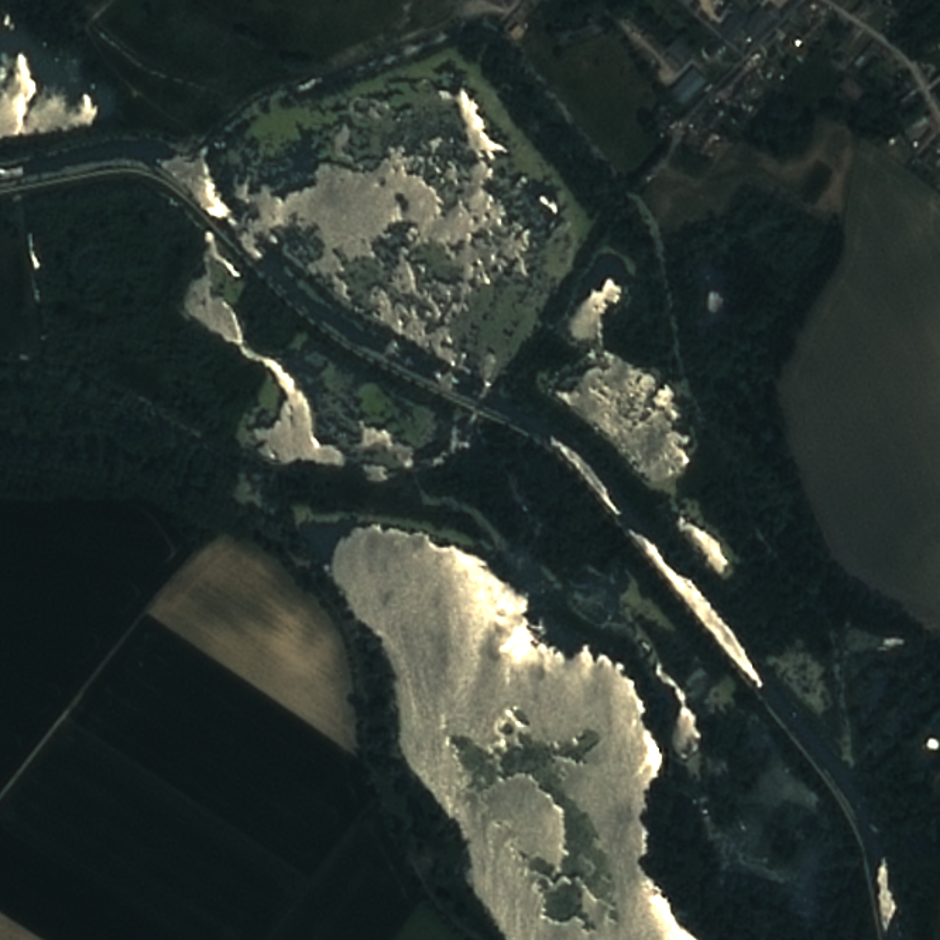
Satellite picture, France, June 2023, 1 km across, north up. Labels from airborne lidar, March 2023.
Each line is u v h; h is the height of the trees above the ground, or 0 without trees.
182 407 12
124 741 0
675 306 9
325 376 0
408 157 0
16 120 0
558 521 20
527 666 0
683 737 0
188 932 0
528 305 0
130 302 13
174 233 10
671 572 0
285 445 0
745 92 0
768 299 17
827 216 0
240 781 0
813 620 25
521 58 13
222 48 0
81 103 0
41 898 0
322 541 0
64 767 0
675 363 10
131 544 0
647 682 7
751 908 15
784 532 26
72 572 0
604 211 7
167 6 0
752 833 0
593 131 0
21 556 0
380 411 0
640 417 0
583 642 0
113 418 7
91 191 6
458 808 0
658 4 0
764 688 0
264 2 0
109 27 0
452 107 0
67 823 0
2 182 0
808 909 0
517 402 14
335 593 8
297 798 0
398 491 0
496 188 0
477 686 0
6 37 0
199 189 0
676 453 0
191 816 0
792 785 0
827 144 0
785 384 0
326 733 0
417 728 0
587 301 0
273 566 0
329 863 0
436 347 0
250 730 0
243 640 0
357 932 0
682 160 0
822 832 10
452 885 0
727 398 6
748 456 7
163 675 0
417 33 0
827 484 0
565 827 0
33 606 0
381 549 0
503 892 0
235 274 0
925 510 0
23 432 6
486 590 0
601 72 0
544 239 0
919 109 14
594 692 0
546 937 0
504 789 0
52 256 6
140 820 0
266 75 0
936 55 0
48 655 0
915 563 0
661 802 24
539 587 0
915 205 0
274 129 0
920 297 0
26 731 0
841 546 0
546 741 0
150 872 0
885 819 7
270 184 0
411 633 0
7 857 0
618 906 0
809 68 0
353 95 0
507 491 14
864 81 9
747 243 17
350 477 0
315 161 0
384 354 0
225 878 0
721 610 7
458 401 0
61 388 8
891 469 0
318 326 8
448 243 0
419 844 8
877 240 0
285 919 0
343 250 0
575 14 15
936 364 0
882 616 33
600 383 0
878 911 0
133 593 0
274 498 14
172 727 0
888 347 0
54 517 0
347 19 0
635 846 0
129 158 0
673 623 7
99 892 0
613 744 0
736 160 0
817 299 0
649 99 0
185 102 0
